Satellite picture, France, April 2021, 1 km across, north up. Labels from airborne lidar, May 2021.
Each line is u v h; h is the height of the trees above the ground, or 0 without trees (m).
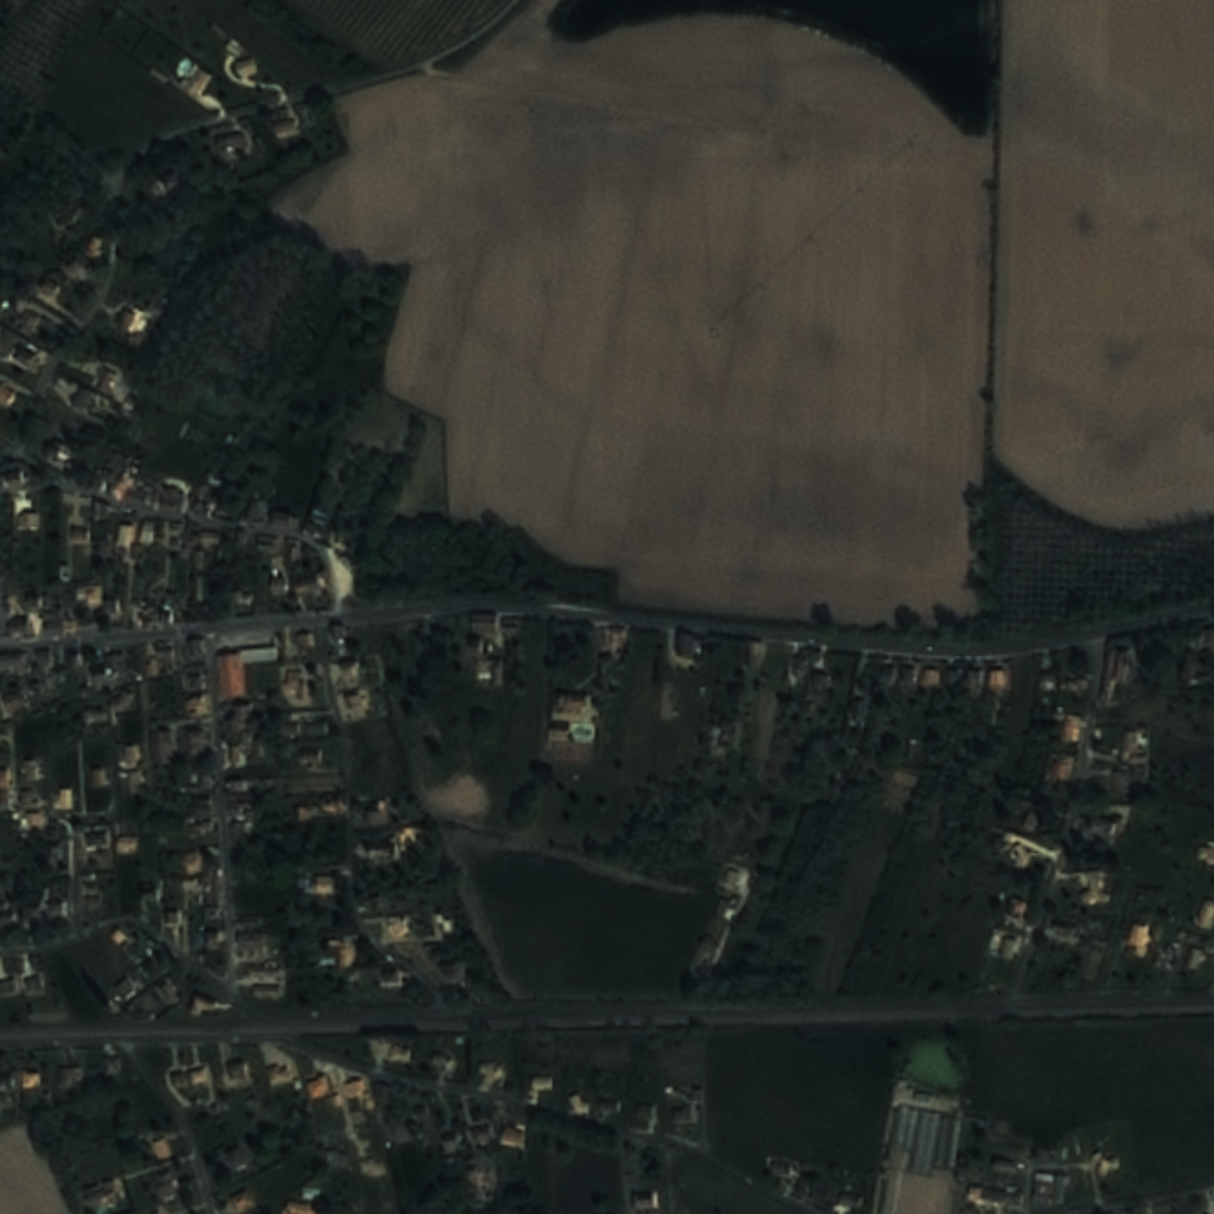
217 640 0
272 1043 0
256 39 0
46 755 0
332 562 0
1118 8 0
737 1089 0
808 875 9
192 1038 0
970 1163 9
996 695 8
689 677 0
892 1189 0
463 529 7
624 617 0
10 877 8
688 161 0
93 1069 0
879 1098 0
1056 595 21
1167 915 8
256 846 9
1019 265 0
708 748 10
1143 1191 0
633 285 0
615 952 0
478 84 0
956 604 0
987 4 0
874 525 0
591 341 0
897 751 18
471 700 0
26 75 20
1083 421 0
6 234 17
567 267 0
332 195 0
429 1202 13
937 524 0
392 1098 12
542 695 0
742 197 0
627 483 0
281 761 6
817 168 0
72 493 0
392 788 0
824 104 0
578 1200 0
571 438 0
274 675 0
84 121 0
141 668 9
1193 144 0
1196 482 0
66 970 0
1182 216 0
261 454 13
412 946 0
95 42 0
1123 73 0
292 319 21
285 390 25
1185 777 6
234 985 0
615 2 0
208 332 32
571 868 0
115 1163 0
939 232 0
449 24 0
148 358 15
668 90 0
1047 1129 0
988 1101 0
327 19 0
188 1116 0
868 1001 0
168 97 0
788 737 9
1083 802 21
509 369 0
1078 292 0
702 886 0
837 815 12
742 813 11
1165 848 6
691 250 0
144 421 0
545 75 0
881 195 0
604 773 0
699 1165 0
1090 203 0
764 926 7
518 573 6
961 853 8
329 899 9
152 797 10
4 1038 0
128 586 6
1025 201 0
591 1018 0
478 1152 7
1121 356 0
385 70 0
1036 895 13
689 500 0
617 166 0
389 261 0
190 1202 14
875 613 0
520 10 0
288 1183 0
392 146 0
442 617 0
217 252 0
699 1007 18
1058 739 10
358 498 12
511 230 0
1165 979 0
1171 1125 0
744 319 0
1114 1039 0
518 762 0
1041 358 0
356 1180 0
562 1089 0
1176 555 13
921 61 0
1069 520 11
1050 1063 0
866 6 0
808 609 0
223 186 13
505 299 0
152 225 28
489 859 0
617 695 7
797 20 0
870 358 0
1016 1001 0
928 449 0
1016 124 0
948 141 0
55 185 15
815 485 0
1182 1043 0
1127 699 16
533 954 0
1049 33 0
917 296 0
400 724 0
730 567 0
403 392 0
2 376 0
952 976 0
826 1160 0
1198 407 0
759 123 0
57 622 0
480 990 22
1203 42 0
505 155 0
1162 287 0
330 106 16
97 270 15
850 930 0
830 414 0
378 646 0
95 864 7
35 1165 0
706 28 0
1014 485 8
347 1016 0
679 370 0
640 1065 0
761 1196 0
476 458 0
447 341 0
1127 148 0
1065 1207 0
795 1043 0
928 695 9
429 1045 0
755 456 0
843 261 0
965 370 0
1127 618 11
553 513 0
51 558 0
